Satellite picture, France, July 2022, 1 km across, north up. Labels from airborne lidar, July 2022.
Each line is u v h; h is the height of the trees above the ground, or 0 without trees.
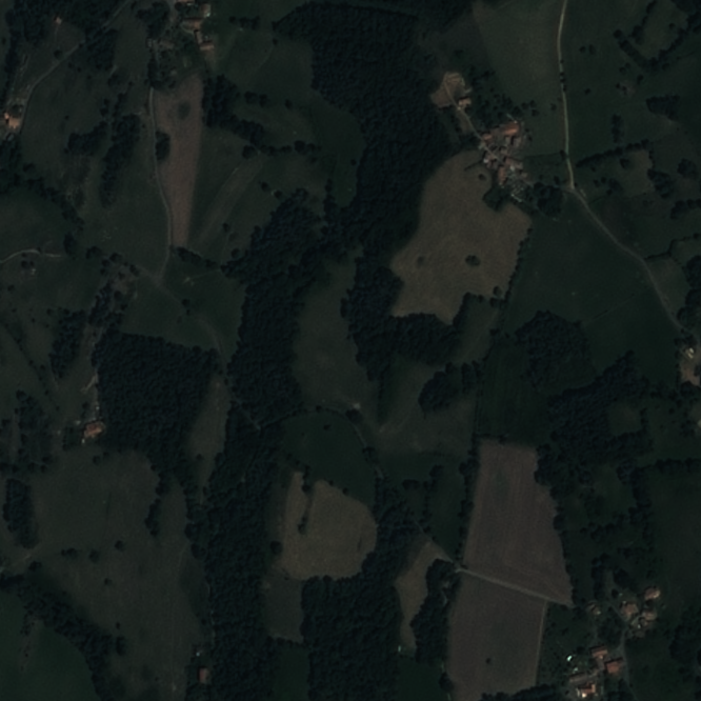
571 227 0
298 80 0
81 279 0
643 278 0
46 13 16
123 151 13
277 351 21
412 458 0
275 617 0
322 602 16
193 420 16
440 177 0
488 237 0
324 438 0
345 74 18
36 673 0
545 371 17
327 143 0
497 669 0
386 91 20
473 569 0
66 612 15
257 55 0
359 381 0
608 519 0
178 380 12
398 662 14
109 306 11
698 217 0
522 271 11
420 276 0
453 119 7
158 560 0
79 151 18
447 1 12
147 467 0
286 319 18
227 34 0
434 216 0
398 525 18
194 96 0
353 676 19
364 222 24
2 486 0
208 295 0
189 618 0
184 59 0
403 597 0
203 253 0
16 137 9
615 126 13
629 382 22
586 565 0
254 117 0
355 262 0
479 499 0
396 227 10
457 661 0
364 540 0
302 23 12
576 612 8
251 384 14
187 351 15
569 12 0
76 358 9
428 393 18
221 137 0
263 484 9
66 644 0
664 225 0
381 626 13
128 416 9
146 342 16
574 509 0
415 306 0
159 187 0
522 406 0
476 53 0
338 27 15
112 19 12
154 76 14
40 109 0
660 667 0
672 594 0
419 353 15
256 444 12
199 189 0
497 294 11
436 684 0
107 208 0
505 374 0
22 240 0
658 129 0
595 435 17
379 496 15
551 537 0
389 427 0
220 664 8
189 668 6
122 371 17
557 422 24
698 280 18
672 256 10
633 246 0
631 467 16
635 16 0
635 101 0
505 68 0
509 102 11
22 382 0
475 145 13
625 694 17
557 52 0
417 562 0
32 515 11
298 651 16
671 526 0
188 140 0
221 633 18
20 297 0
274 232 14
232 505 9
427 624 16
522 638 0
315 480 0
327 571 0
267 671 22
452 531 0
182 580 0
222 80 16
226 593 18
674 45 6
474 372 15
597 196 0
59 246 0
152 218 0
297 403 12
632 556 18
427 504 9
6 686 0
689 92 0
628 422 0
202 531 17
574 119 0
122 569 0
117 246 0
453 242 0
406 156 22
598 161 15
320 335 0
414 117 21
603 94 0
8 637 0
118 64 0
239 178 0
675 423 8
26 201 0
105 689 20
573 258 0
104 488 0
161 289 0
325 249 22
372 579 16
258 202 0
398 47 19
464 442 0
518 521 0
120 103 7
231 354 0
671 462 14
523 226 0
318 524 0
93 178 0
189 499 13
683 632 20
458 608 0
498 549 0
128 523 0
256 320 13
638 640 6
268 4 0
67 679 0
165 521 0
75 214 20
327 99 17
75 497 0
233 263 7
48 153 0
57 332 0
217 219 0
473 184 0
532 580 0
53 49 0
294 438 0
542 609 0
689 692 0
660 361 0
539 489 0
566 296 0
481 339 0
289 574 0
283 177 0
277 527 0
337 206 24
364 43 16
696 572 0
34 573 14
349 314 15
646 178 0
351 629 8
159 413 14
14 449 0
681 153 0
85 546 0
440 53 0
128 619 0
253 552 10
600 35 0
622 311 0
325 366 0
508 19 0
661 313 0
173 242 0
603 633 10
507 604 0
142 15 13
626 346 0
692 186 0
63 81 0
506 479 0
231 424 14
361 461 0
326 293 0
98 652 18
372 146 15
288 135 0
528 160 0
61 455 0
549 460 21
